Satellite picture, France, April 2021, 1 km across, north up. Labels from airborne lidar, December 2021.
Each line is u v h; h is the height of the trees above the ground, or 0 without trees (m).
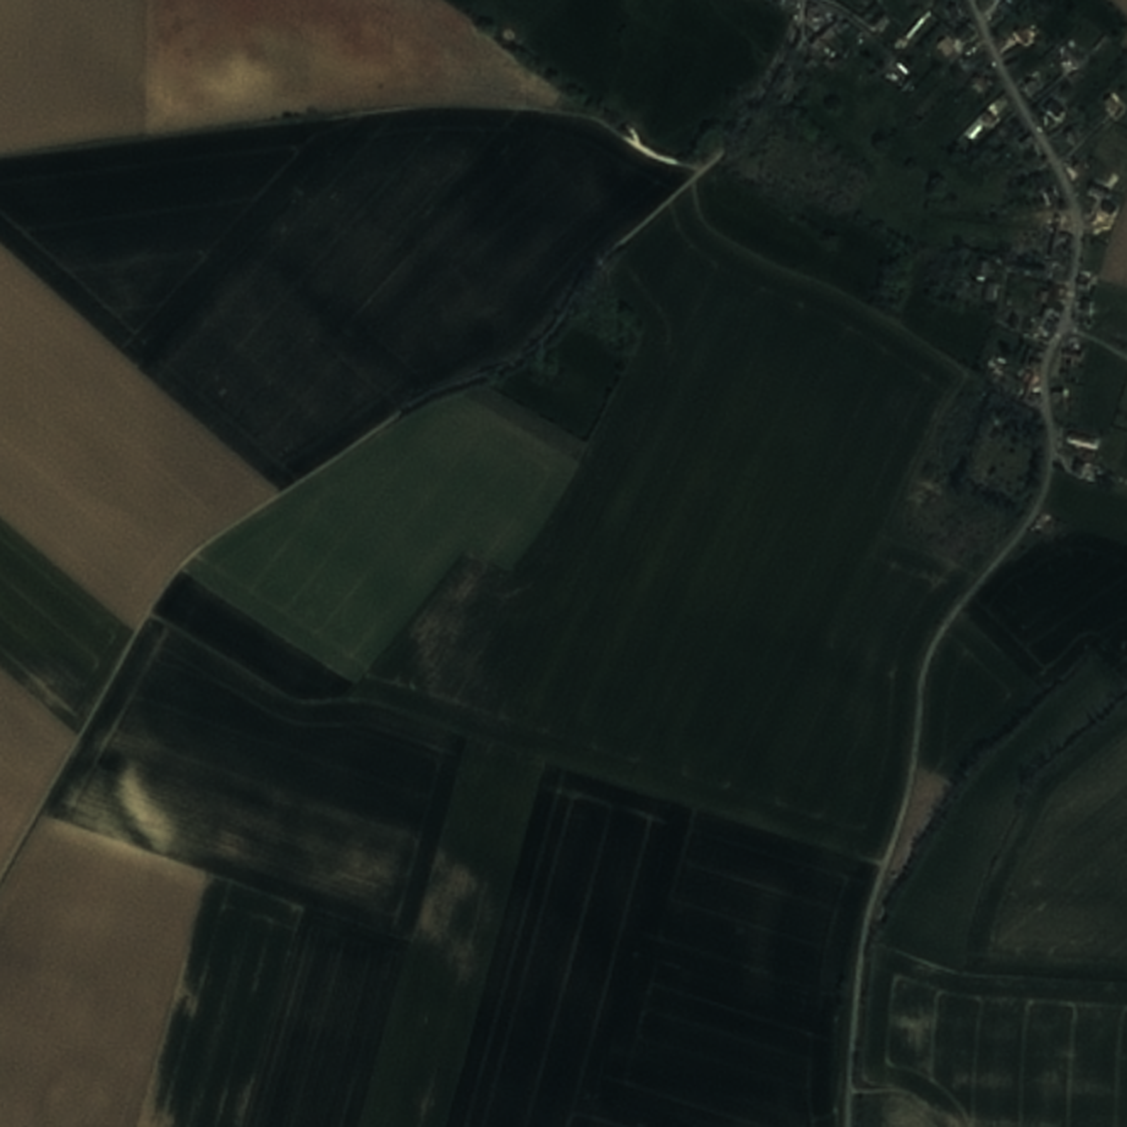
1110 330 0
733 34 0
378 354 0
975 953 0
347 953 0
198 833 0
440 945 0
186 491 0
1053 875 0
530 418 0
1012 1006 0
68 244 0
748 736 0
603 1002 0
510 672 0
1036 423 15
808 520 0
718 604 0
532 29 0
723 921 0
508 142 0
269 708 0
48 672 0
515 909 0
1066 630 0
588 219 0
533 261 0
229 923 0
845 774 0
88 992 0
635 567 0
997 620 0
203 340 0
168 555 0
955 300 11
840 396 0
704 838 0
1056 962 0
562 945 0
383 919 0
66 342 0
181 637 0
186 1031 0
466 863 0
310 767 0
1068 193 0
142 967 0
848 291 0
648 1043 0
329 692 0
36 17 0
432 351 0
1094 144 0
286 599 0
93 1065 0
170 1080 0
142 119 0
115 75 0
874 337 0
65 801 0
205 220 0
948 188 8
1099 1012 0
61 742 0
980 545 0
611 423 0
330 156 0
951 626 0
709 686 0
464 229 0
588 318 19
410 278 0
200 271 0
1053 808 0
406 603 0
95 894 0
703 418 0
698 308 0
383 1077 0
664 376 0
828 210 7
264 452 0
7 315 0
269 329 0
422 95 0
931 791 0
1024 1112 0
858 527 0
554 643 0
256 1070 0
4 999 0
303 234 0
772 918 0
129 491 0
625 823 0
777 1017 0
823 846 0
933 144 0
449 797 0
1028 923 0
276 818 0
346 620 0
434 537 0
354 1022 0
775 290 0
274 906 0
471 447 0
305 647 0
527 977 0
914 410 0
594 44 0
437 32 0
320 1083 0
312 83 0
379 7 0
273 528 0
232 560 0
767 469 0
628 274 0
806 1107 0
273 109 0
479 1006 0
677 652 0
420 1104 0
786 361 0
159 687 0
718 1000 0
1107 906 0
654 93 0
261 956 0
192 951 0
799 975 0
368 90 0
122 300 0
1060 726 0
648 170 0
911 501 0
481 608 0
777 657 0
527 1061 0
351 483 0
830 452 0
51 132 0
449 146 0
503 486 0
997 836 0
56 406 0
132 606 0
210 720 0
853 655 0
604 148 0
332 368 0
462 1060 0
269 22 0
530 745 0
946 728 0
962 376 0
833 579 0
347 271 0
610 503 0
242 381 0
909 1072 0
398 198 0
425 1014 0
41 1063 0
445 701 0
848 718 0
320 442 0
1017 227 0
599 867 0
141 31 0
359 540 0
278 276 0
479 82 0
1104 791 0
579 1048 0
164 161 0
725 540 0
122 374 0
